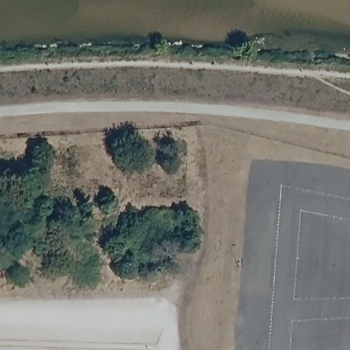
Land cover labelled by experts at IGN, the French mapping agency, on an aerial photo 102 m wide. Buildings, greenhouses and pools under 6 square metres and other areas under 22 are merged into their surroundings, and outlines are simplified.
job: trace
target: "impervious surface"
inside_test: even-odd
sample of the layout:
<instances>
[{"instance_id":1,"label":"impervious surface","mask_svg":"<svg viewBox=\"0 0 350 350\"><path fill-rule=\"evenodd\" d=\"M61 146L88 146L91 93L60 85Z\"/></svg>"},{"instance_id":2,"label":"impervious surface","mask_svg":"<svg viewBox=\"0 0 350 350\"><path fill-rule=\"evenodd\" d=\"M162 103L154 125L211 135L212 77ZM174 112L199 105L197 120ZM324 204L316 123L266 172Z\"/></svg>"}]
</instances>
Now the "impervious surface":
<instances>
[{"instance_id":1,"label":"impervious surface","mask_svg":"<svg viewBox=\"0 0 350 350\"><path fill-rule=\"evenodd\" d=\"M250 165L234 350L350 350L350 170L335 165L279 160L254 160Z\"/></svg>"},{"instance_id":2,"label":"impervious surface","mask_svg":"<svg viewBox=\"0 0 350 350\"><path fill-rule=\"evenodd\" d=\"M183 101L77 100L0 107L0 118L55 112L187 112L312 124L327 129L350 131L350 120L321 118L271 108L250 108L245 105Z\"/></svg>"}]
</instances>

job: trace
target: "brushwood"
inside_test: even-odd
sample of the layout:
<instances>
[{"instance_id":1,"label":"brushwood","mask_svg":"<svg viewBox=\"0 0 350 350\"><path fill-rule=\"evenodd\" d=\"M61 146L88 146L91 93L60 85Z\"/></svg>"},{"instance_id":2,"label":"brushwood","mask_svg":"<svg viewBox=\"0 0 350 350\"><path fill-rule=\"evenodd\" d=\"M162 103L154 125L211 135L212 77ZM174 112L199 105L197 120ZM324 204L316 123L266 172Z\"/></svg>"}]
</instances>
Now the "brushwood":
<instances>
[{"instance_id":1,"label":"brushwood","mask_svg":"<svg viewBox=\"0 0 350 350\"><path fill-rule=\"evenodd\" d=\"M235 60L230 60L227 56L215 59L190 55L182 59L180 55L171 55L171 62L213 64L234 63Z\"/></svg>"},{"instance_id":2,"label":"brushwood","mask_svg":"<svg viewBox=\"0 0 350 350\"><path fill-rule=\"evenodd\" d=\"M261 53L261 60L254 66L350 72L350 55L335 52L305 52L293 55L282 51Z\"/></svg>"},{"instance_id":3,"label":"brushwood","mask_svg":"<svg viewBox=\"0 0 350 350\"><path fill-rule=\"evenodd\" d=\"M145 60L146 53L152 49L138 44L112 46L93 45L89 42L77 46L37 44L33 48L0 51L0 66L22 63Z\"/></svg>"}]
</instances>

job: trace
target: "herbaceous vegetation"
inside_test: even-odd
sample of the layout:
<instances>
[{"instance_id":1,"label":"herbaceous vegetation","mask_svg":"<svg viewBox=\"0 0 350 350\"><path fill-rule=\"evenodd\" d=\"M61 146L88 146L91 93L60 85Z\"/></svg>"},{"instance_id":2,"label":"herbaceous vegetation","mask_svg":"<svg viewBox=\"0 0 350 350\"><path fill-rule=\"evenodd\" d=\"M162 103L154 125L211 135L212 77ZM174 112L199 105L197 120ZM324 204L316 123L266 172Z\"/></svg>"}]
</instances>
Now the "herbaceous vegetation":
<instances>
[{"instance_id":1,"label":"herbaceous vegetation","mask_svg":"<svg viewBox=\"0 0 350 350\"><path fill-rule=\"evenodd\" d=\"M0 71L0 107L77 100L183 101L245 105L250 108L271 108L321 118L350 120L350 96L331 89L316 78L261 74L253 71L93 67Z\"/></svg>"},{"instance_id":2,"label":"herbaceous vegetation","mask_svg":"<svg viewBox=\"0 0 350 350\"><path fill-rule=\"evenodd\" d=\"M113 142L124 135L133 134L135 130L142 138L148 139L150 149L157 150L157 145L174 144L178 139L186 141L187 156L180 160L175 174L167 174L157 163L133 174L116 168L112 161L115 157ZM101 279L96 288L79 288L67 276L59 276L56 280L44 278L41 275L41 257L34 256L31 250L26 250L19 260L19 264L29 268L30 272L27 280L29 283L25 287L16 286L10 279L0 276L0 305L22 299L52 301L161 297L176 306L180 350L234 350L250 165L254 160L279 160L335 165L350 170L350 131L327 129L312 124L187 112L55 112L0 118L0 172L11 170L14 174L27 174L33 161L34 149L48 141L55 149L57 160L53 159L49 171L51 182L46 185L44 196L55 197L53 208L56 211L71 211L72 205L82 205L83 202L87 202L89 196L93 196L97 202L113 193L118 198L122 212L126 211L129 204L137 209L160 205L172 206L172 211L194 209L202 230L200 246L196 252L179 253L176 256L174 261L178 264L178 272L175 275L161 267L160 272L150 272L145 280L141 276L134 279L119 278L111 269L108 253L104 252L98 239L93 237L93 250L100 257L101 265Z\"/></svg>"}]
</instances>

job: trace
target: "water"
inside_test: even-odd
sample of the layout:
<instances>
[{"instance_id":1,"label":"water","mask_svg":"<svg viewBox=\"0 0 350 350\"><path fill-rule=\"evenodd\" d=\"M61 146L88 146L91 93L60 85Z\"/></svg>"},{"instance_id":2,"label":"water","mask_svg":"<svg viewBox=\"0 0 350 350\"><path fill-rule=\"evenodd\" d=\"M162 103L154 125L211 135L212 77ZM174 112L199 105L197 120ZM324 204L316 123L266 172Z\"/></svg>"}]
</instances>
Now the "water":
<instances>
[{"instance_id":1,"label":"water","mask_svg":"<svg viewBox=\"0 0 350 350\"><path fill-rule=\"evenodd\" d=\"M245 42L252 42L254 48L260 49L261 53L282 51L293 55L305 52L335 52L350 55L350 0L0 0L0 51L33 48L37 44L77 46L89 42L93 45L112 46L138 44L152 49L156 51L156 44L163 41L182 41L186 48L190 45L202 45L205 48L224 49L237 48Z\"/></svg>"}]
</instances>

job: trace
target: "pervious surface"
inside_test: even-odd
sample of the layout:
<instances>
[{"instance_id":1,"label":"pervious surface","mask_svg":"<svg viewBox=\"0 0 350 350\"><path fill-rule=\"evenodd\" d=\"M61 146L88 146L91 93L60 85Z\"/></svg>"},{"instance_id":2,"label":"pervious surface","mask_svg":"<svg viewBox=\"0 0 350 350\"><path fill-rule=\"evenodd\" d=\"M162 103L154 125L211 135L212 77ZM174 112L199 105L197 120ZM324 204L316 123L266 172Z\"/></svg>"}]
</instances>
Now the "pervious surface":
<instances>
[{"instance_id":1,"label":"pervious surface","mask_svg":"<svg viewBox=\"0 0 350 350\"><path fill-rule=\"evenodd\" d=\"M176 306L161 297L52 301L22 299L0 305L0 350L180 350Z\"/></svg>"},{"instance_id":2,"label":"pervious surface","mask_svg":"<svg viewBox=\"0 0 350 350\"><path fill-rule=\"evenodd\" d=\"M0 71L93 67L253 71L261 74L316 78L331 89L350 96L350 72L254 66L243 66L235 60L234 63L213 64L171 62L145 60L22 63L0 66Z\"/></svg>"}]
</instances>

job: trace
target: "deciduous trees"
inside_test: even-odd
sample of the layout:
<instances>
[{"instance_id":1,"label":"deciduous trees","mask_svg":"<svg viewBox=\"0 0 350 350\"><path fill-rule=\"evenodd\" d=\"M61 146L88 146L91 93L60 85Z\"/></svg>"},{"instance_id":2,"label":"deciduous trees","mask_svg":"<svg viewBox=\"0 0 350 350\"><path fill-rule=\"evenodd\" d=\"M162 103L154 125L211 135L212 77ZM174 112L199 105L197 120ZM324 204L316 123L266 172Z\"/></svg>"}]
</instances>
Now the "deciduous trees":
<instances>
[{"instance_id":1,"label":"deciduous trees","mask_svg":"<svg viewBox=\"0 0 350 350\"><path fill-rule=\"evenodd\" d=\"M227 56L230 60L235 60L243 66L254 66L261 60L261 53L260 49L254 48L252 42L245 42L237 48L224 49L205 48L202 45L190 45L186 48L182 41L163 41L156 44L156 51L152 49L146 53L145 60L171 62L171 55L180 55L182 59L190 55L215 59Z\"/></svg>"},{"instance_id":2,"label":"deciduous trees","mask_svg":"<svg viewBox=\"0 0 350 350\"><path fill-rule=\"evenodd\" d=\"M72 205L71 211L56 211L53 208L55 197L44 196L46 185L51 182L49 171L53 159L57 160L55 149L48 141L34 149L33 161L27 174L14 174L11 170L0 172L0 276L10 279L16 286L25 287L29 283L27 280L30 272L29 268L19 264L19 260L26 250L31 250L34 256L41 257L41 275L44 278L56 280L59 276L67 276L79 288L96 288L101 279L101 265L100 257L93 250L93 237L98 239L104 252L108 253L111 269L119 278L134 279L141 276L145 280L150 272L160 272L161 267L175 275L178 272L178 264L174 261L176 256L179 253L196 252L200 246L202 230L194 209L172 211L172 206L160 205L137 209L129 204L126 211L122 212L118 198L113 193L97 202L93 196L89 196L87 202L83 202L82 205Z\"/></svg>"},{"instance_id":3,"label":"deciduous trees","mask_svg":"<svg viewBox=\"0 0 350 350\"><path fill-rule=\"evenodd\" d=\"M157 163L167 174L175 174L180 160L187 156L186 141L178 139L174 144L157 145L157 150L150 149L148 139L142 138L135 130L133 134L124 135L113 142L115 157L112 161L116 168L133 174Z\"/></svg>"}]
</instances>

